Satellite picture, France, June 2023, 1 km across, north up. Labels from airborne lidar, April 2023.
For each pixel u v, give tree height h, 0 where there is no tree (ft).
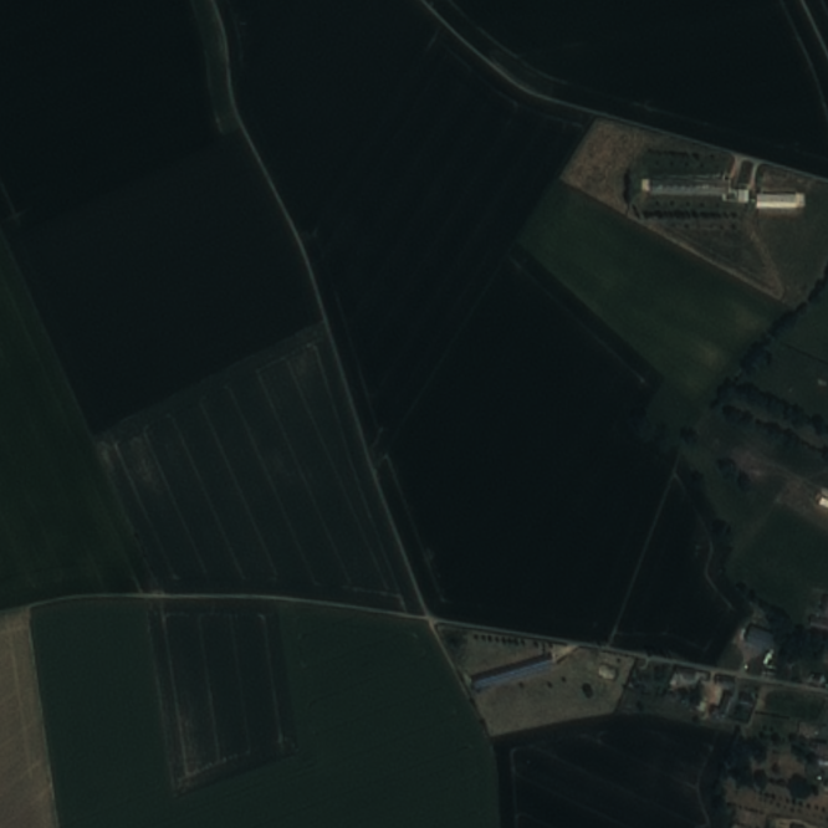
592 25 0
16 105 0
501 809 0
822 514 0
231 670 0
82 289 0
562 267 0
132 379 0
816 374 0
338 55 0
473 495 0
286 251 0
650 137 0
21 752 0
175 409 0
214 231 0
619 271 0
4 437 0
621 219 0
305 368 0
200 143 0
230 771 0
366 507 0
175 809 0
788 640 52
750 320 0
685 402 0
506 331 0
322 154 0
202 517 0
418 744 0
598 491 0
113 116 0
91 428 0
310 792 0
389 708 0
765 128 0
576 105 0
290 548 0
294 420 0
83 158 0
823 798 0
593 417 0
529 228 0
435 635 0
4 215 0
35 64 0
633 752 0
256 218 0
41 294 0
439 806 0
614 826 0
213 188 0
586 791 0
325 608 0
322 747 0
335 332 0
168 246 0
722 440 0
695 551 0
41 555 0
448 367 0
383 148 0
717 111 0
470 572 0
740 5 0
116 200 0
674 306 0
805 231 0
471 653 0
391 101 0
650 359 0
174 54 0
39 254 0
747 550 0
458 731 0
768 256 0
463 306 0
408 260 0
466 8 0
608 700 0
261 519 0
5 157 0
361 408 0
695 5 0
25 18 0
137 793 0
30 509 0
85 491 0
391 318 0
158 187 0
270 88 0
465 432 0
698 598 0
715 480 0
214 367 0
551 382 0
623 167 0
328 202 0
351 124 0
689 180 0
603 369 0
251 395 0
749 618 0
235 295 0
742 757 70
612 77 0
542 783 0
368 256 0
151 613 0
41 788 0
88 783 0
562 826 0
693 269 0
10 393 0
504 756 0
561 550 0
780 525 0
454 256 0
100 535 0
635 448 0
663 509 0
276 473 0
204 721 0
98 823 0
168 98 0
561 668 0
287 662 0
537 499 0
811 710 0
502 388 0
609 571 0
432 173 0
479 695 0
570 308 0
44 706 0
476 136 0
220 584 0
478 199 0
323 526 0
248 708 0
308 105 0
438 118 0
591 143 0
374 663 0
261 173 0
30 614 0
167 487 0
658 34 0
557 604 0
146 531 0
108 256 0
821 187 0
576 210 0
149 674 0
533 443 0
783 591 0
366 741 0
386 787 0
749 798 0
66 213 0
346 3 0
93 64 0
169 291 0
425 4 0
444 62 0
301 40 0
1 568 0
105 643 0
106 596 0
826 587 0
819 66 0
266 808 0
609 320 0
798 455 0
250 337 0
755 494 0
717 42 0
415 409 0
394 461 0
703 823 0
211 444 0
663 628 0
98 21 0
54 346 0
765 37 0
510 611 0
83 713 0
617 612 0
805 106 0
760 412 0
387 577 0
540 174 0
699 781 0
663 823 0
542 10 0
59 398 0
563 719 0
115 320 0
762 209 0
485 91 0
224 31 0
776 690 0
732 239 0
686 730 0
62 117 0
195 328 0
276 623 0
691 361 0
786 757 0
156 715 0
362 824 0
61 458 0
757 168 0
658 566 0
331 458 0
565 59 0
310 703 0
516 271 0
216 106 0
